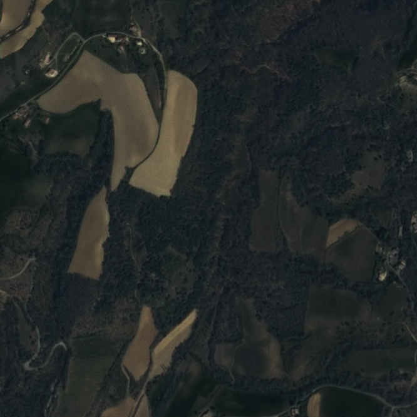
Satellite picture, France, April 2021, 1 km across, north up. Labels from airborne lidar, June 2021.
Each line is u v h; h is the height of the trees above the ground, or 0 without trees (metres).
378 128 13
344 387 13
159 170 0
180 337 0
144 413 0
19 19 0
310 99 7
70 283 16
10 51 0
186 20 9
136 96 0
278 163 31
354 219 11
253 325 0
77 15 0
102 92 0
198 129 15
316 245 0
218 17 13
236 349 0
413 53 0
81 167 21
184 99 0
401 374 8
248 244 17
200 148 13
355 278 0
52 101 0
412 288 15
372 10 14
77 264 0
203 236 9
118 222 14
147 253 7
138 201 13
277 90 18
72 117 0
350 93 11
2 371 13
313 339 0
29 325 7
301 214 0
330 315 0
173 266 7
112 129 8
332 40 10
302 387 7
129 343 10
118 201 11
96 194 13
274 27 28
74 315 17
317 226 0
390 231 6
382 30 15
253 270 15
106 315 6
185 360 6
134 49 7
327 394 0
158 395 0
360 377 9
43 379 14
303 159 14
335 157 13
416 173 20
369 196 14
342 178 10
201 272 10
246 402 0
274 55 19
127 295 12
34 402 12
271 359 0
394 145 11
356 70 13
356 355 0
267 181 0
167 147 0
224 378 8
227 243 18
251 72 24
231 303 8
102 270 9
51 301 15
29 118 11
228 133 14
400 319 0
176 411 0
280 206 0
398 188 17
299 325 7
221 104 12
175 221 7
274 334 6
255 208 7
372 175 0
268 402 0
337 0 20
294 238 0
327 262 0
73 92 0
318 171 17
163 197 7
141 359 0
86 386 0
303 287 9
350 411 0
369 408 0
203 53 5
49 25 11
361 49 15
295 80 20
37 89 0
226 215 15
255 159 16
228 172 11
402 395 11
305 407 7
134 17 0
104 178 15
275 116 10
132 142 0
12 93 0
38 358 8
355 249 0
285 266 7
